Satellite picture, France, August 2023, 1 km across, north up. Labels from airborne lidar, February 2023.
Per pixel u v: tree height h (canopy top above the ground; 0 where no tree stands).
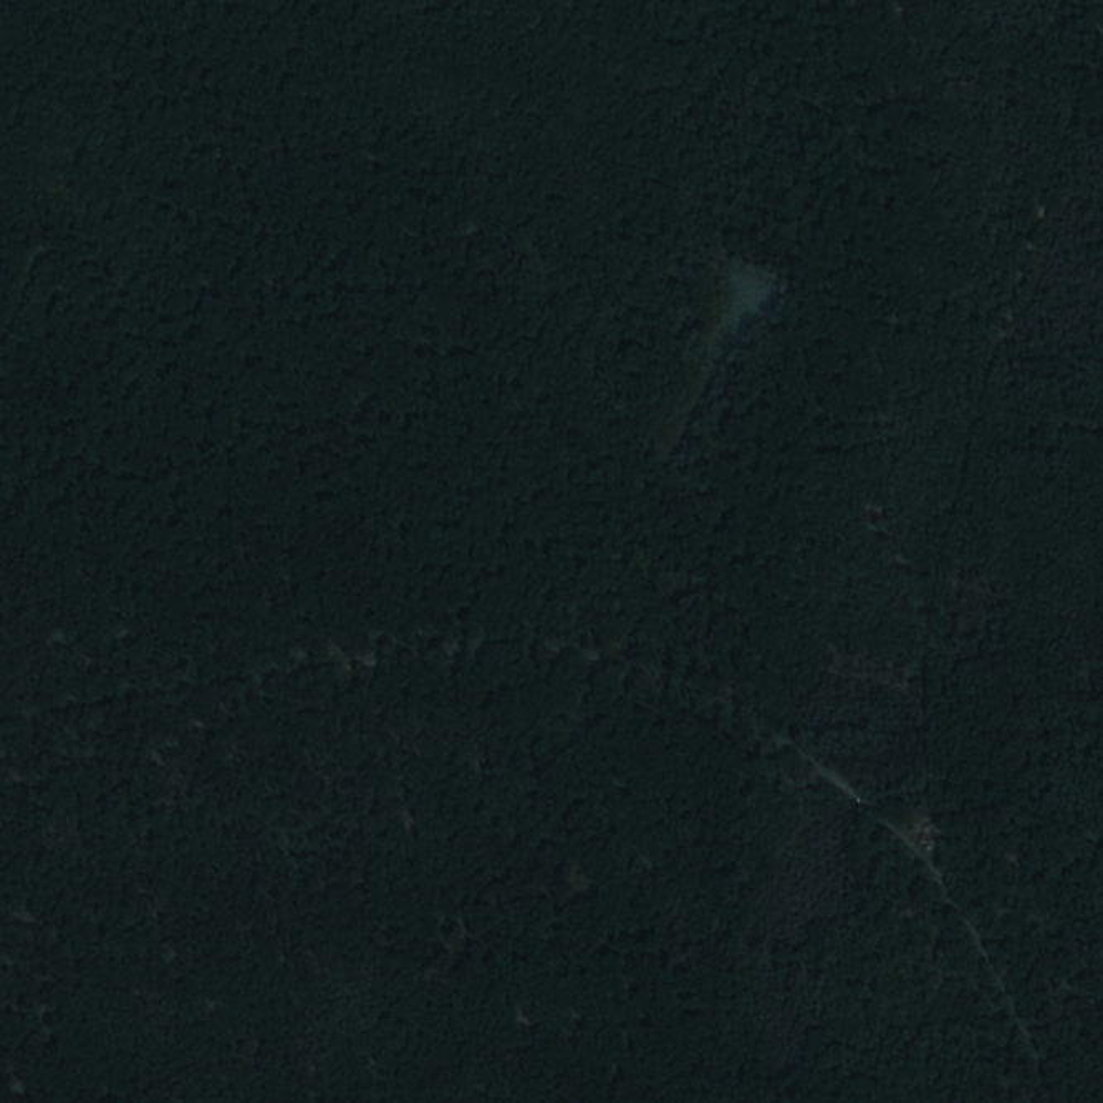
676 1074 23
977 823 27
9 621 20
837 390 22
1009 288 20
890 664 21
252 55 19
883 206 25
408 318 25
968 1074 17
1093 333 8
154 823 21
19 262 22
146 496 24
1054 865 21
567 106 19
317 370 22
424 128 23
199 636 23
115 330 23
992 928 19
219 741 21
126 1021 20
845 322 25
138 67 23
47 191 23
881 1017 19
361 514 21
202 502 24
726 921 19
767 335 27
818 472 22
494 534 26
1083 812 20
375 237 25
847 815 6
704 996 21
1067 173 20
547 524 25
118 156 22
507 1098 23
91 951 24
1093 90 25
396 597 25
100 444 28
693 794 20
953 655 21
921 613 20
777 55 23
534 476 21
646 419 23
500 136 20
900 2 22
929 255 23
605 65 20
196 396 25
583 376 21
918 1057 17
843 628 21
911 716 8
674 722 23
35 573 23
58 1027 20
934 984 19
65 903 23
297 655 20
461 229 24
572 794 23
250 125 25
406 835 25
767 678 25
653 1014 19
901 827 24
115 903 21
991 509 21
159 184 24
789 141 24
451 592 24
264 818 20
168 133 21
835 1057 22
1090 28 21
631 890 20
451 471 24
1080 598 23
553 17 20
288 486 25
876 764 17
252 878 21
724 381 12
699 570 21
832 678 7
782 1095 24
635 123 20
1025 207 22
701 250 18
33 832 19
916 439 21
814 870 7
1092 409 22
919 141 23
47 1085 24
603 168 19
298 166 21
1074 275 6
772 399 27
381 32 20
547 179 22
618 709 22
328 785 20
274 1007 18
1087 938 21
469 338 23
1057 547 23
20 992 24
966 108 22
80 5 24
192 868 21
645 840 21
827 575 21
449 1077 19
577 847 22
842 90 24
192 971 20
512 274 23
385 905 22
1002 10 23
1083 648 25
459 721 24
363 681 14
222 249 26
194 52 21
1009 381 20
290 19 20
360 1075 23
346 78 19
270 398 21
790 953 18
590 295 27
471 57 19
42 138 21
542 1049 19
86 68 22
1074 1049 18
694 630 23
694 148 23
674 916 19
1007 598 20
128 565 20
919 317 20
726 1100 22
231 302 30
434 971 22
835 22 24
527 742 23
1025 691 26
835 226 23
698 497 23
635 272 23
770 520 23
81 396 23
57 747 21
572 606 20
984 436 21
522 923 22
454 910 23
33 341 25
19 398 23
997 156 23
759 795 22
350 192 24
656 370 20
